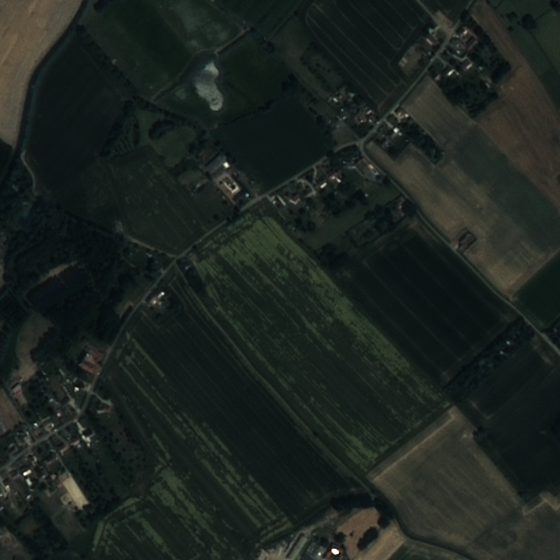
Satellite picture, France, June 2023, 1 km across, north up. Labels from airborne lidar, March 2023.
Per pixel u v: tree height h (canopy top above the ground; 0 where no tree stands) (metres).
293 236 0
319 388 0
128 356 0
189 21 0
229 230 0
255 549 0
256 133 0
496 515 0
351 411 0
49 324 0
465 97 13
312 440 0
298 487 0
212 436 0
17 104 0
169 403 0
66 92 0
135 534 0
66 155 0
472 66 0
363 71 0
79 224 32
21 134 0
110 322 27
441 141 0
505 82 0
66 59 0
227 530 0
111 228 0
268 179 0
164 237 0
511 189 0
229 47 0
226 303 0
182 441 0
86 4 0
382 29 0
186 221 0
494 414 0
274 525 0
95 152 0
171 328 0
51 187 0
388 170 0
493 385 0
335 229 0
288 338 0
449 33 0
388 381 0
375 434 0
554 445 0
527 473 0
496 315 0
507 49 0
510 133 0
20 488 0
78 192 0
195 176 0
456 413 0
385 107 0
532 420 0
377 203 0
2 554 0
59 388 0
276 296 0
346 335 0
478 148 0
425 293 0
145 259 0
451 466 0
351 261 0
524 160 0
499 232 0
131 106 13
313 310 0
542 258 0
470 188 0
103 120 0
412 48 0
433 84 0
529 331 10
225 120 0
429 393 0
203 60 0
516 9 0
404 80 0
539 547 0
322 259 10
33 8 0
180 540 0
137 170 0
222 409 0
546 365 0
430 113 0
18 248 19
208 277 0
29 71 0
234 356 0
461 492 0
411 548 0
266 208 0
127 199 0
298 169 0
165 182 0
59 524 0
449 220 0
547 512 0
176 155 0
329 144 0
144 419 0
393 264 0
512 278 0
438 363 0
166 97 0
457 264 0
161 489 0
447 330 0
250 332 0
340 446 0
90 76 0
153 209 0
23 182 6
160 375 0
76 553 0
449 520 0
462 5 0
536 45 0
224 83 0
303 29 0
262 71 0
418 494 0
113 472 0
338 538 12
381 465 0
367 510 0
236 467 0
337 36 0
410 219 0
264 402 0
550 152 0
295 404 0
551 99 0
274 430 0
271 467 0
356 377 0
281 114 0
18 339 0
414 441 0
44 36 0
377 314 0
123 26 0
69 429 6
